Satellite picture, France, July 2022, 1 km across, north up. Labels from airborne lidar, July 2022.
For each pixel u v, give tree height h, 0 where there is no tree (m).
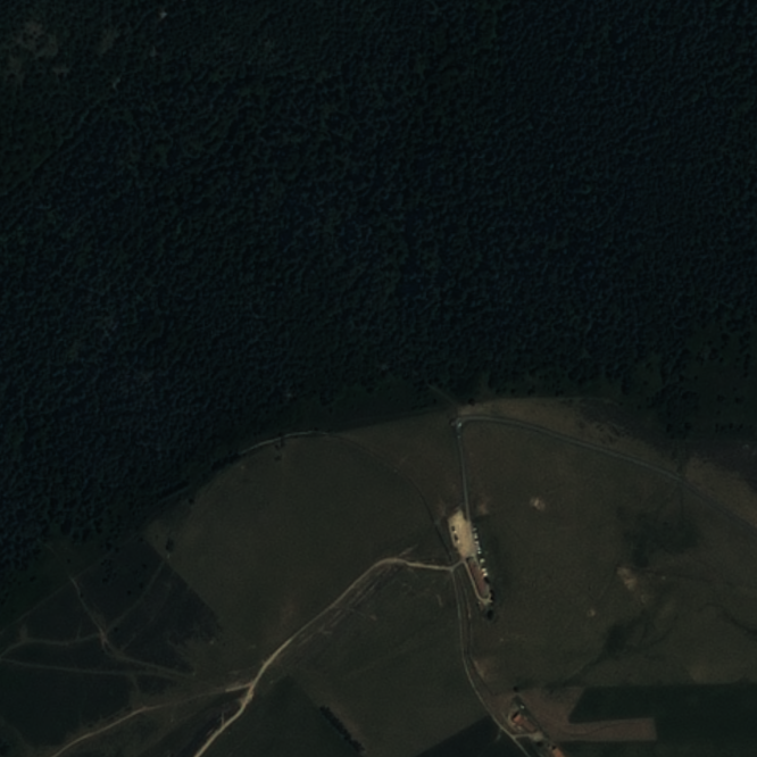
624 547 0
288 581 0
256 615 0
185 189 20
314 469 0
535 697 0
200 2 11
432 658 0
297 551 0
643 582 0
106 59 16
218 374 21
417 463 0
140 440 19
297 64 21
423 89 16
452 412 0
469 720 0
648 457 0
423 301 13
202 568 0
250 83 26
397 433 0
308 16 22
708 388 0
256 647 0
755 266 21
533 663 0
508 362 16
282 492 0
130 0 10
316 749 0
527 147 21
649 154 21
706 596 0
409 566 0
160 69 15
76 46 16
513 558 0
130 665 0
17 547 20
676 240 19
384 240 25
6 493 23
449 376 13
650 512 0
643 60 19
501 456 0
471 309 17
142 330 25
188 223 16
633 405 0
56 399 26
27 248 11
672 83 20
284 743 0
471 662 0
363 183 35
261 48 22
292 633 0
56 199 22
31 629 0
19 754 0
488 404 0
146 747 0
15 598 0
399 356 16
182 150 24
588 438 0
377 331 22
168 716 0
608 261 30
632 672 0
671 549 0
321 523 0
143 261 13
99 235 11
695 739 0
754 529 0
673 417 11
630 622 0
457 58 9
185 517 0
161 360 22
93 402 23
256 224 17
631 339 17
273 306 17
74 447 21
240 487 0
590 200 26
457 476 0
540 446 0
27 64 14
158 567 0
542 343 18
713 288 20
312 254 21
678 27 21
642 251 20
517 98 22
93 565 0
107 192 21
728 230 10
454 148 12
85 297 24
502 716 0
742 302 22
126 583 0
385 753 0
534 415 0
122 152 25
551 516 0
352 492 0
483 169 16
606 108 31
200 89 20
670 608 0
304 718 0
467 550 0
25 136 26
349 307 18
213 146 22
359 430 0
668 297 24
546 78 19
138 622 0
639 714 0
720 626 0
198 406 18
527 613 0
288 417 13
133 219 22
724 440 0
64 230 18
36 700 0
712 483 0
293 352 18
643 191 24
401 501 0
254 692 0
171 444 24
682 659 0
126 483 16
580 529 0
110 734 0
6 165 20
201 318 19
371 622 0
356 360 16
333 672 0
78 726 0
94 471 22
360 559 0
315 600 0
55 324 16
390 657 0
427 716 0
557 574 0
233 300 16
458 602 0
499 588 0
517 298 15
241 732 0
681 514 0
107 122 18
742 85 7
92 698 0
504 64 6
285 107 25
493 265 27
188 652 0
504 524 0
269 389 20
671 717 0
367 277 21
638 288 14
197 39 18
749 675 0
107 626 0
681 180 22
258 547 0
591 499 0
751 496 0
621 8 27
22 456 12
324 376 16
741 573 0
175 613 0
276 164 21
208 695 0
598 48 22
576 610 0
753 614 0
